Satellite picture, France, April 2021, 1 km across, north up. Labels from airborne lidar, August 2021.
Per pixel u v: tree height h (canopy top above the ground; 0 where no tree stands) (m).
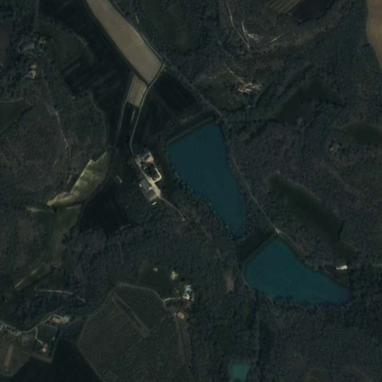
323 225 0
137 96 0
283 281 0
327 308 11
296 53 6
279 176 0
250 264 0
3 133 7
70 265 0
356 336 21
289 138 12
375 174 10
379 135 0
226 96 0
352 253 0
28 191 6
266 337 12
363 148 16
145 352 6
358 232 10
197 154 0
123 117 0
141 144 0
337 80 21
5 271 15
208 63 13
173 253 17
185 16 9
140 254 20
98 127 15
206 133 0
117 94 0
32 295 0
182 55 11
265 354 13
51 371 0
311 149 8
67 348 0
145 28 8
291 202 0
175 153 0
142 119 0
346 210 11
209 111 11
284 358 11
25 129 12
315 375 0
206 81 0
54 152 7
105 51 0
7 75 9
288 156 14
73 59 0
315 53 16
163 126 0
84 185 0
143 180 0
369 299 31
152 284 0
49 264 0
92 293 6
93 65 0
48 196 19
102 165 0
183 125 0
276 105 18
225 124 13
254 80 15
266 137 21
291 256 0
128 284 18
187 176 0
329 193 9
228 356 18
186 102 0
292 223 18
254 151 20
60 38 0
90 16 0
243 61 8
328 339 31
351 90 18
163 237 15
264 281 0
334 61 15
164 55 25
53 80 12
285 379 12
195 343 21
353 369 12
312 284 0
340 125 8
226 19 8
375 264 23
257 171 19
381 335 33
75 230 14
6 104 0
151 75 0
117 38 0
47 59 12
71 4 0
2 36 0
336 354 20
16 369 0
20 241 7
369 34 0
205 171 0
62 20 0
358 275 19
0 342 0
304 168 8
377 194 10
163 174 0
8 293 8
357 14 22
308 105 0
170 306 8
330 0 0
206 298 24
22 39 18
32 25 10
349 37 16
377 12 0
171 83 0
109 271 17
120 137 0
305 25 13
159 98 0
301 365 11
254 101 20
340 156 8
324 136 9
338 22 8
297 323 13
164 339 5
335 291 0
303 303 0
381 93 11
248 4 12
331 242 0
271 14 0
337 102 0
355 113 14
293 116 0
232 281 0
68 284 7
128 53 0
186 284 12
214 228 8
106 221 0
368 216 10
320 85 0
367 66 13
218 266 16
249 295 17
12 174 7
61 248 0
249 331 10
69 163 10
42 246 6
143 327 0
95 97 0
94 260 9
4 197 20
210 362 16
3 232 9
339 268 18
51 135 6
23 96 16
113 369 6
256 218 19
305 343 18
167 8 7
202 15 12
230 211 0
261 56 9
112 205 0
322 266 24
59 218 0
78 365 0
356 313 23
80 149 14
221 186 0
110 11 0
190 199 11
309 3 0
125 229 6
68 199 0
